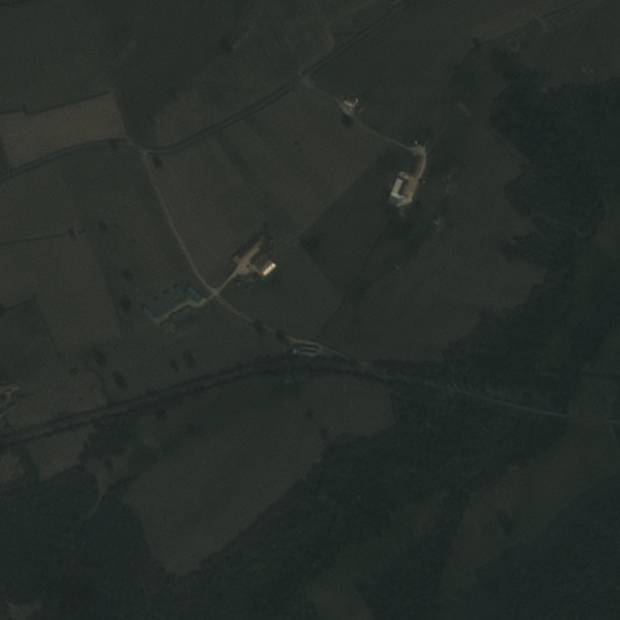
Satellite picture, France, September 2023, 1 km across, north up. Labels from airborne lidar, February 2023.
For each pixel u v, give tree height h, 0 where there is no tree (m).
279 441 0
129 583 12
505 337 10
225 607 17
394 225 0
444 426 14
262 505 0
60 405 0
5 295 0
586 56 0
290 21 0
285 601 12
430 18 0
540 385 21
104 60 0
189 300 0
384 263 0
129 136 0
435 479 20
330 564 21
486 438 19
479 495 0
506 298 0
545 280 8
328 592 0
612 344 0
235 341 0
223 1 0
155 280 0
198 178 0
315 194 0
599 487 0
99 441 11
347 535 23
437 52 0
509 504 0
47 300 0
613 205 0
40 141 0
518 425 20
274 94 0
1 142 0
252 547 16
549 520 0
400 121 0
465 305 0
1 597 13
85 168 0
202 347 0
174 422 0
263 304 0
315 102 0
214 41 0
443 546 30
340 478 23
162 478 0
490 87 0
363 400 0
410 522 0
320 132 0
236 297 0
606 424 0
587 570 14
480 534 0
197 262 0
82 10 0
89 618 21
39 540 17
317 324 0
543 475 0
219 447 0
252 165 0
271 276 0
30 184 0
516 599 25
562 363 0
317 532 13
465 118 0
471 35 0
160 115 0
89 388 0
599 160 14
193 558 0
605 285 0
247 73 0
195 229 0
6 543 10
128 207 0
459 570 0
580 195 13
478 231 0
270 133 0
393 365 12
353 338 0
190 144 0
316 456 0
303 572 17
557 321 16
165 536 0
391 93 0
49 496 9
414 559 32
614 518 16
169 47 0
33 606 0
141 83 0
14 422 0
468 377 6
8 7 0
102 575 22
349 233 0
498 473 21
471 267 0
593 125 15
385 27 0
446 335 0
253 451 0
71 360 0
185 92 0
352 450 17
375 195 0
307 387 0
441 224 0
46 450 0
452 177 0
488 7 0
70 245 0
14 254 0
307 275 0
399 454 13
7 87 0
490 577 11
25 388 0
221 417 0
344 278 0
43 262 0
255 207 0
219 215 0
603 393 0
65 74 0
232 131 0
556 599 18
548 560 20
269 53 0
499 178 0
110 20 0
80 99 0
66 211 0
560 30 0
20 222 0
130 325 0
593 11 0
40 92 0
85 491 10
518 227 0
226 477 0
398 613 23
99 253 0
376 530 22
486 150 0
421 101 0
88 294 0
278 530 17
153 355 0
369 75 0
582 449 0
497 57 0
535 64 0
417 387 14
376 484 21
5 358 0
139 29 0
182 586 8
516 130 13
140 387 0
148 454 0
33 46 0
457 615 0
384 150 0
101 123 0
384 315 0
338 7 0
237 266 0
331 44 0
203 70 0
